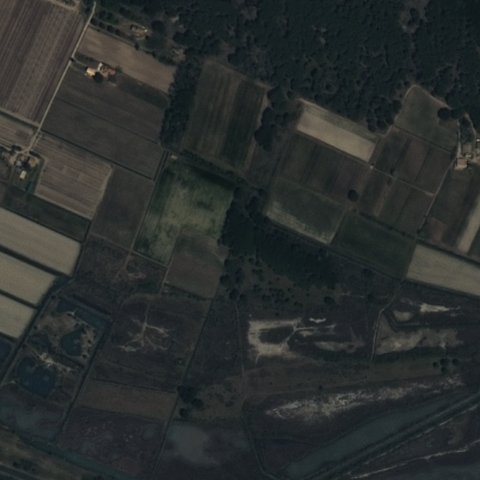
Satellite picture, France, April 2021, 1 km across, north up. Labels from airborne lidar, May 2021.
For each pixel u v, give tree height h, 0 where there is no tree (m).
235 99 0
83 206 0
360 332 0
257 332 0
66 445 0
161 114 0
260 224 13
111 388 0
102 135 0
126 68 0
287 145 0
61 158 0
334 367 0
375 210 0
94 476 0
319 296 0
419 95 0
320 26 12
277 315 7
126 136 0
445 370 8
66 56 0
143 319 0
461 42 15
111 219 0
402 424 0
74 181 0
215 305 0
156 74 0
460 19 14
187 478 0
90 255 0
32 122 0
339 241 0
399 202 0
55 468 0
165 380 0
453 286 0
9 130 0
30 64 0
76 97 0
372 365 0
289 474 0
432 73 14
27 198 0
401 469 0
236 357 6
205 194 0
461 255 0
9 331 0
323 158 0
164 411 0
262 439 0
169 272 0
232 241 11
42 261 0
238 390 0
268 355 0
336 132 0
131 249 0
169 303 0
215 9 13
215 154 0
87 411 0
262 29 14
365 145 0
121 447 0
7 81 0
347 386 0
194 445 0
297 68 13
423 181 0
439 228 0
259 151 0
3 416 0
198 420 0
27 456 0
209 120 0
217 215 0
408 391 0
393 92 13
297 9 11
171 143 18
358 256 0
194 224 0
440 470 0
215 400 0
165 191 0
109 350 0
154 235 0
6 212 0
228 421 0
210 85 0
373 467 0
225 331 0
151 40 8
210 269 0
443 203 0
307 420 0
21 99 0
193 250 0
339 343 0
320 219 0
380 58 10
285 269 10
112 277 0
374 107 9
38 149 0
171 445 0
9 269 0
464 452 0
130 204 0
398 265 0
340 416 0
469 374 0
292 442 0
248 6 10
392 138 0
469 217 0
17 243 0
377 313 0
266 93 0
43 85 0
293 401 0
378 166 0
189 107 16
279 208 0
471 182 0
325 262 14
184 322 0
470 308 0
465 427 0
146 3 14
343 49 13
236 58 13
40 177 0
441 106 0
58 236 0
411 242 0
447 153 0
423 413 0
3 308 0
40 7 0
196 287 0
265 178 0
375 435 0
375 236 0
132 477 0
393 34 13
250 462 0
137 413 0
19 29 0
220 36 13
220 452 0
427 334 0
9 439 0
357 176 0
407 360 0
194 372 0
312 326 0
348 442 0
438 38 12
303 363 0
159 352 0
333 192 0
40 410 0
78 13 0
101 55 0
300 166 0
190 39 16
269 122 12
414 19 11
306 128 0
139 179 0
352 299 0
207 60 0
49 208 0
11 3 0
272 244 14
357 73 15
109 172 0
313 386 0
